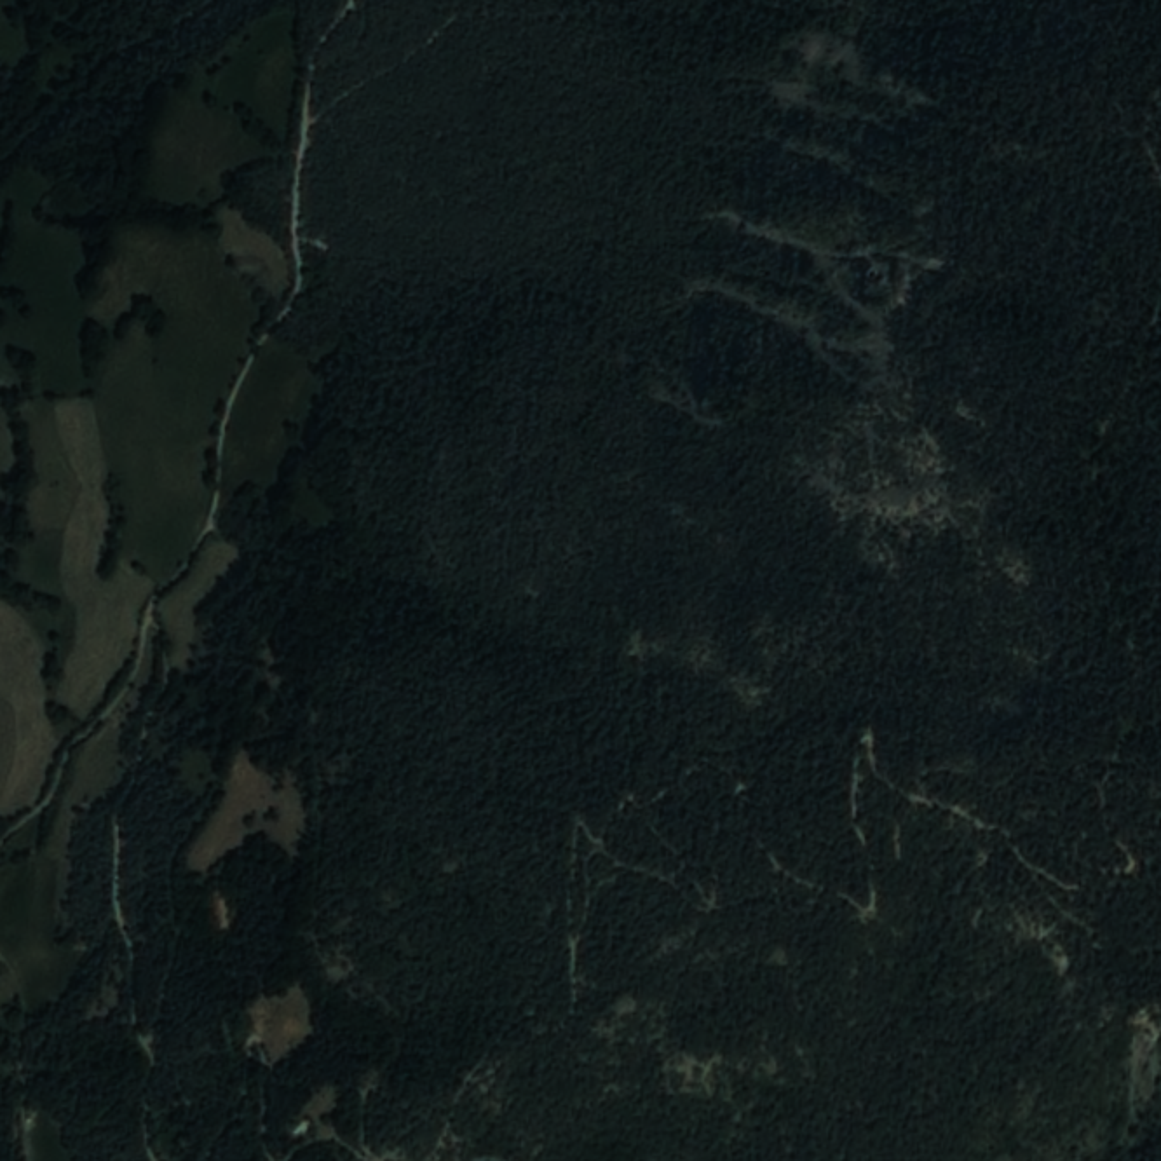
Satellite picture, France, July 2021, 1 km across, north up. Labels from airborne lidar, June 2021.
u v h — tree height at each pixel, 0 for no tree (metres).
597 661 12
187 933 12
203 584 0
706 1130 6
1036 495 12
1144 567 10
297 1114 7
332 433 26
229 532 7
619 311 8
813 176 7
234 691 13
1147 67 12
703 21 5
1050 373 13
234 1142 11
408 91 7
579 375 8
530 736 14
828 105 6
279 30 0
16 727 0
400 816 8
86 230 22
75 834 6
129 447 0
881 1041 8
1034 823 6
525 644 10
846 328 7
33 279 0
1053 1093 7
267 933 8
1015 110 12
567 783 12
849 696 7
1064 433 12
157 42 13
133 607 0
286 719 10
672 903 7
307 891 17
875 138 6
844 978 7
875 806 8
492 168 7
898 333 8
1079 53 11
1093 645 9
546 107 6
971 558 7
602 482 7
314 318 9
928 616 8
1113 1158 12
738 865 7
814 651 10
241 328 0
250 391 0
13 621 0
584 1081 9
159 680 11
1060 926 5
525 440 7
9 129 7
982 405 7
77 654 0
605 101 7
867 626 8
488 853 10
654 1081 8
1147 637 22
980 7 6
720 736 11
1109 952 7
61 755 8
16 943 0
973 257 14
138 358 0
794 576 7
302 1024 0
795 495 7
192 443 0
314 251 7
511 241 8
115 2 19
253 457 0
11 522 9
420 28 7
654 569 9
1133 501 8
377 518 16
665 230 7
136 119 25
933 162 8
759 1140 5
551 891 7
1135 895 8
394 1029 12
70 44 19
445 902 8
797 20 11
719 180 7
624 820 8
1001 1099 8
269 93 0
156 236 0
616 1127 6
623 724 14
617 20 8
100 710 8
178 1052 10
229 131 0
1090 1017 6
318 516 0
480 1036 7
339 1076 14
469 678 13
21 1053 8
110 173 24
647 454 7
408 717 11
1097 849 8
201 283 0
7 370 0
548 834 12
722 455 7
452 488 7
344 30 10
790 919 10
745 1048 7
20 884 0
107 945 7
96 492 0
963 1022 9
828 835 13
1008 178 8
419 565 9
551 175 7
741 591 8
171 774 13
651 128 8
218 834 0
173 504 0
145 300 16
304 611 22
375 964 7
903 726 10
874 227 10
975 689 9
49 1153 0
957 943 5
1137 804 7
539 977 8
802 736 13
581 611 8
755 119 7
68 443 0
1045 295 15
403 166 7
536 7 7
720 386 9
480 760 9
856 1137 10
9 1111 7
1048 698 8
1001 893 7
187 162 0
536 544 7
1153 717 12
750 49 18
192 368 0
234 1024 9
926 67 6
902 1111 10
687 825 10
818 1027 8
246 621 19
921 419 7
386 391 6
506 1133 6
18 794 0
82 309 0
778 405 8
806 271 8
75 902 10
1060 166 10
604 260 8
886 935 6
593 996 7
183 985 11
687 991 9
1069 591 10
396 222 7
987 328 11
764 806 9
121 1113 13
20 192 0
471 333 13
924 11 10
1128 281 14
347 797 11
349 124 6
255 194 11
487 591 6
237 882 8
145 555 0
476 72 7
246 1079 9
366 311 9
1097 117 9
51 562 0
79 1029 9
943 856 7
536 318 9
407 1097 8
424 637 10
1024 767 8
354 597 13
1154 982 9
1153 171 15
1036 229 11
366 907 7
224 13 14
